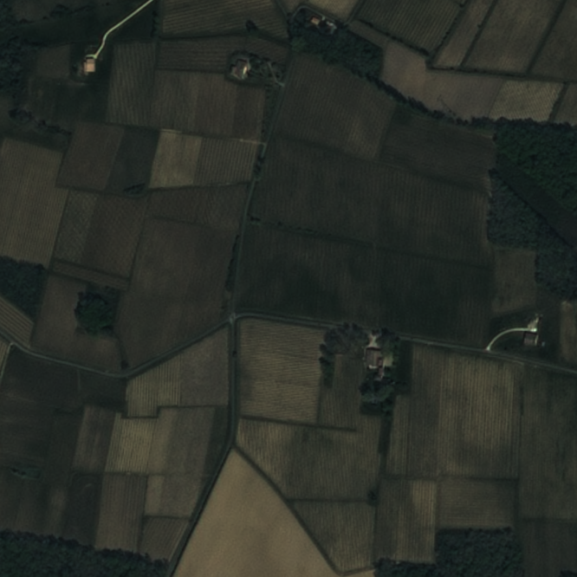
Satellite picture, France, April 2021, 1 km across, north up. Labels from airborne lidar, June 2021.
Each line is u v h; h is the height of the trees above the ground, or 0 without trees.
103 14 0
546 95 0
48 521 0
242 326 0
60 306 0
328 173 0
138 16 0
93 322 24
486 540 5
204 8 0
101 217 0
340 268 0
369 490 0
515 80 0
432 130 0
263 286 0
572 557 0
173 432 0
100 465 0
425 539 0
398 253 0
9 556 20
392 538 0
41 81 0
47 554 22
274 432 0
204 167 0
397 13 0
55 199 0
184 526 0
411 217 0
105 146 0
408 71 0
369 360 0
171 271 0
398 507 0
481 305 0
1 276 20
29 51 15
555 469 0
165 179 0
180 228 0
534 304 0
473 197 0
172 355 0
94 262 0
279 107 0
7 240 0
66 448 0
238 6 0
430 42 0
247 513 0
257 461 0
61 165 0
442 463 0
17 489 0
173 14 0
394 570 17
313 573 0
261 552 0
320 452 0
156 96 0
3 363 0
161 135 0
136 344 0
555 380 0
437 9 0
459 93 0
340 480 0
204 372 0
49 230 0
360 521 0
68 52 0
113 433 0
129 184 0
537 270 10
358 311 0
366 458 0
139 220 0
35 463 0
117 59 0
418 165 0
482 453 0
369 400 20
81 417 0
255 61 8
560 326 0
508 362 0
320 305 0
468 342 0
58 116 0
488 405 0
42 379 0
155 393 0
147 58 0
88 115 0
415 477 0
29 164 0
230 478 0
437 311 0
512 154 17
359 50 17
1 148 0
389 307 0
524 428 0
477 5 0
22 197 0
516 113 0
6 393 0
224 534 0
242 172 0
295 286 0
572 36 0
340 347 23
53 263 0
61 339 0
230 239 0
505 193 17
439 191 0
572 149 25
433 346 0
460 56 0
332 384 0
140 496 0
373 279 0
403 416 0
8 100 0
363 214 0
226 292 0
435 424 0
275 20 0
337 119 0
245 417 0
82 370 0
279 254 0
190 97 0
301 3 0
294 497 0
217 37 0
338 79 0
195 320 0
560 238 18
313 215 0
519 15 0
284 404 0
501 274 0
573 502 0
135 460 0
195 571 0
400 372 0
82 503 0
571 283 22
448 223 0
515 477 0
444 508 0
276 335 0
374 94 0
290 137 0
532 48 0
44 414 0
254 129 0
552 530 0
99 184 0
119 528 0
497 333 0
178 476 0
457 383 0
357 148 0
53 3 0
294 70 0
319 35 20
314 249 0
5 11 12
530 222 21
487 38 0
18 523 0
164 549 0
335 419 0
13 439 0
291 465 0
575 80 0
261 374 0
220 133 0
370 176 0
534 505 0
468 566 13
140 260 0
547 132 20
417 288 0
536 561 0
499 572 12
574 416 0
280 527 0
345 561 0
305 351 0
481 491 0
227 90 0
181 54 0
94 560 15
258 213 0
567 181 26
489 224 9
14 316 0
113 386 0
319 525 0
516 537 8
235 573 0
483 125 16
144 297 0
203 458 0
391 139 0
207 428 0
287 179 0
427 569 11
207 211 0
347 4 0
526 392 0
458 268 0
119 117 0
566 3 0
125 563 26
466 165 0
